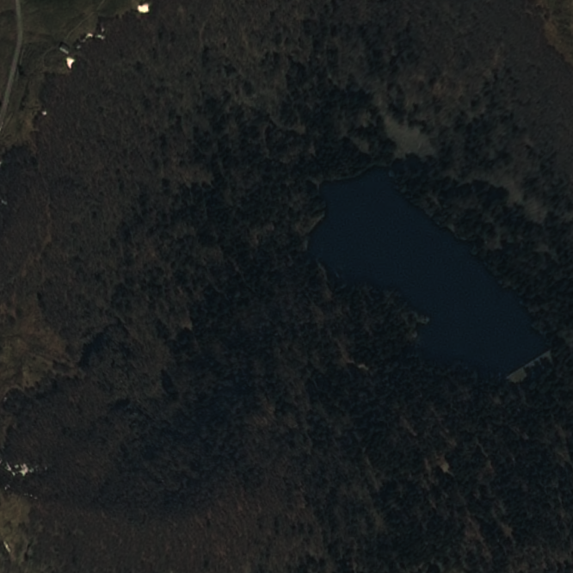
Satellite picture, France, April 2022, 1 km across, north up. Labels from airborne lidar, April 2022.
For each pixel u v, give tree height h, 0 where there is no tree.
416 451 25
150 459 24
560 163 16
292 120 26
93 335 17
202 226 32
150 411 23
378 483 15
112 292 28
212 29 20
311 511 24
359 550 28
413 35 22
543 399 39
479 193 23
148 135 28
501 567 25
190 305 19
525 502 27
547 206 18
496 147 23
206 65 29
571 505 31
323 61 12
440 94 23
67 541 18
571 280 25
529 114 25
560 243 31
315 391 29
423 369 17
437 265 0
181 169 17
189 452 27
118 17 9
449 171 27
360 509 25
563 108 13
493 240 27
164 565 24
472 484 23
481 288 0
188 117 21
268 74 27
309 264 28
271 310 24
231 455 17
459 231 27
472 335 0
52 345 0
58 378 11
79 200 12
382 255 0
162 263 21
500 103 26
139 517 12
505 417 21
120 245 27
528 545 32
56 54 0
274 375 35
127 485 19
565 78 12
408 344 12
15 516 0
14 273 14
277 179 27
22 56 0
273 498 18
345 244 0
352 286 32
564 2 0
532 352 0
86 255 24
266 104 21
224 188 35
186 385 30
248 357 29
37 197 13
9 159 10
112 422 19
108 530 18
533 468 19
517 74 23
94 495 15
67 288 20
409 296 0
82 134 24
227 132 24
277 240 29
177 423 19
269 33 26
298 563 22
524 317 0
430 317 0
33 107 0
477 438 24
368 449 33
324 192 0
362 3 14
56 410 11
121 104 21
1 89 0
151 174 30
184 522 17
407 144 0
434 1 21
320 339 27
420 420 26
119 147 25
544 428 31
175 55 21
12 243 11
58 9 0
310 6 23
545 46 15
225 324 34
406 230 0
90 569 17
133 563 21
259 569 31
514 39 12
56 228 13
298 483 21
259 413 24
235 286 23
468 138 21
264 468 23
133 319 14
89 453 17
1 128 0
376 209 0
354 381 29
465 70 20
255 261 21
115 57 15
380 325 28
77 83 17
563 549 27
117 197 25
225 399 24
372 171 0
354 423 21
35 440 15
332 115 38
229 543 22
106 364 11
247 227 26
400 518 34
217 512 18
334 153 31
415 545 26
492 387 19
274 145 15
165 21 18
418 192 32
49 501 8
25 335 0
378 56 15
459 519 33
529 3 9
